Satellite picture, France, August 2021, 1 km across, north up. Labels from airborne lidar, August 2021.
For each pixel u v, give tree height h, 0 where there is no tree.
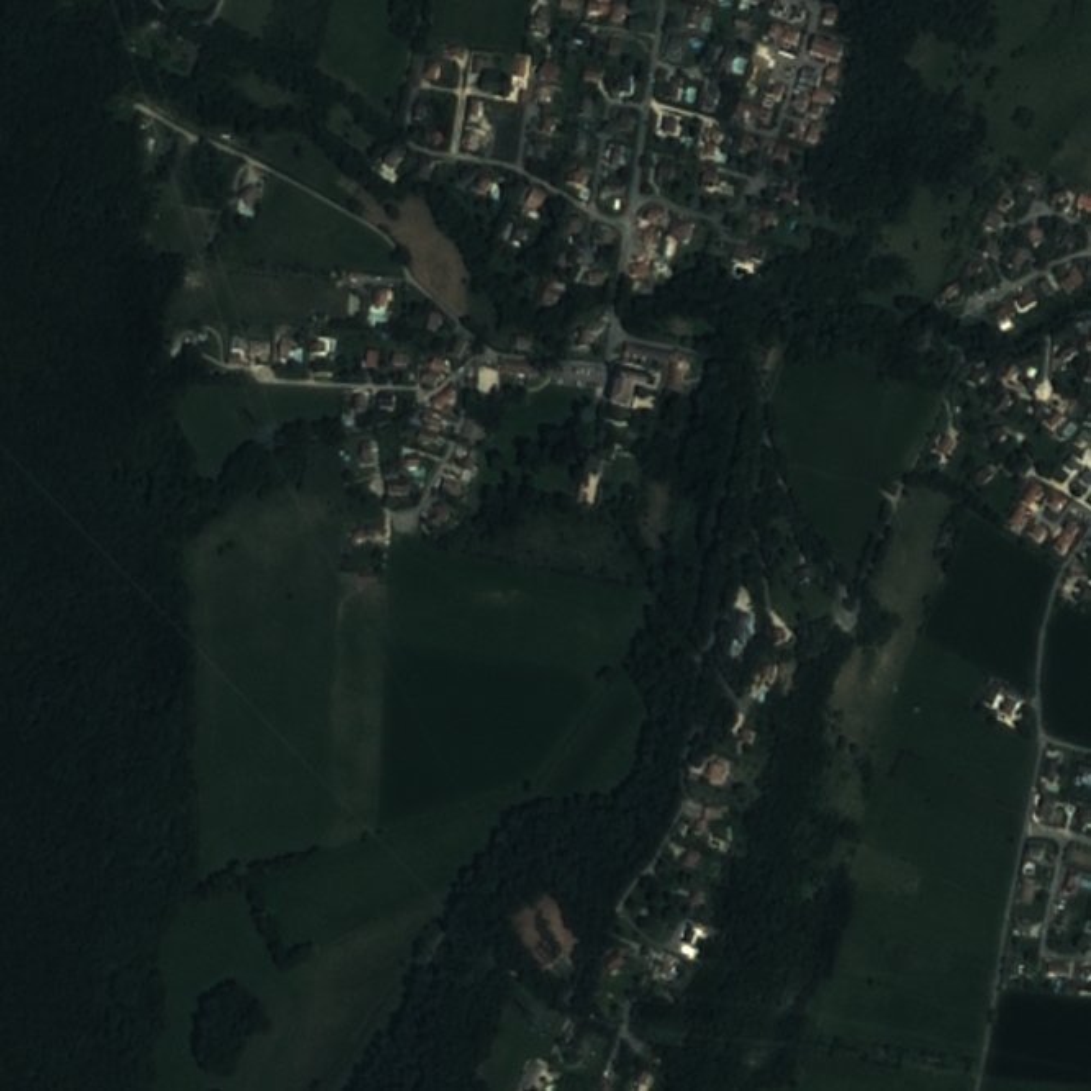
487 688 0
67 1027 18
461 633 0
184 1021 0
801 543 10
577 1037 8
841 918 23
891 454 0
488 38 0
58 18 19
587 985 15
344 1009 0
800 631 11
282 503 0
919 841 0
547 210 9
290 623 0
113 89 15
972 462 10
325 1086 13
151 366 21
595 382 0
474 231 17
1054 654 0
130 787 22
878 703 0
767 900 19
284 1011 0
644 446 10
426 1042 21
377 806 0
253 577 0
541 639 0
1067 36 0
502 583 0
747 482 14
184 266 17
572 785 0
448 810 0
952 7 20
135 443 26
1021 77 0
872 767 11
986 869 0
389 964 0
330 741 0
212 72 14
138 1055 17
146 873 19
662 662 8
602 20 7
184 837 15
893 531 13
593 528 0
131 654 15
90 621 12
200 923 0
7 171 14
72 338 11
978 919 0
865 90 10
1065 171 0
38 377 15
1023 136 0
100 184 22
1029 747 0
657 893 19
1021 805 0
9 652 15
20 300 13
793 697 11
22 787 16
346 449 0
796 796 16
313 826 0
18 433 18
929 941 0
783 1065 13
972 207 7
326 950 0
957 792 0
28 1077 17
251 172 0
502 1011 11
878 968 0
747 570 10
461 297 0
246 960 0
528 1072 0
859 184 19
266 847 0
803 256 7
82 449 21
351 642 0
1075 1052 0
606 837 25
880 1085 0
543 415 0
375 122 11
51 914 18
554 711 0
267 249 0
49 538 13
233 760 0
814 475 0
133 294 22
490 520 16
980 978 0
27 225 15
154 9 9
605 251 16
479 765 0
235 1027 14
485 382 0
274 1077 0
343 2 0
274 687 0
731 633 13
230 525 0
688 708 16
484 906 19
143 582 18
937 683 0
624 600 0
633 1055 15
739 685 6
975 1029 0
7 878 17
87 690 18
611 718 0
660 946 0
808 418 0
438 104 8
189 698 17
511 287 14
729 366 18
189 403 0
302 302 0
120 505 22
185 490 14
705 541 16
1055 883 0
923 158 9
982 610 0
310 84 18
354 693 0
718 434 25
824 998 0
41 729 15
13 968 17
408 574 0
